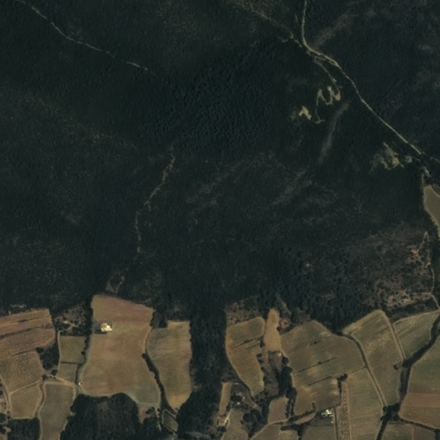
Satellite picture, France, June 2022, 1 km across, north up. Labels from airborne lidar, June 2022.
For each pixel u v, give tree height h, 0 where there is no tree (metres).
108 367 0
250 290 6
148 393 0
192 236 6
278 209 6
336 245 6
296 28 10
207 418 10
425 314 0
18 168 10
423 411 0
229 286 8
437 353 0
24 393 0
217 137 7
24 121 6
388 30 6
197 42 7
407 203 7
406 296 7
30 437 13
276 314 0
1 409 0
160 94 9
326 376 0
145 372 0
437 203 0
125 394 9
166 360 0
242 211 8
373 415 0
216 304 6
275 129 5
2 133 8
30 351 0
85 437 6
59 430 0
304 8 8
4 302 9
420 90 7
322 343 0
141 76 13
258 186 7
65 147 6
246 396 0
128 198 5
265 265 8
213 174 7
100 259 8
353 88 7
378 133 5
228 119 7
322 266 6
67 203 7
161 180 6
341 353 0
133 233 5
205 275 6
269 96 8
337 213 5
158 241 5
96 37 9
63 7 8
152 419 9
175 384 0
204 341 9
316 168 6
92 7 5
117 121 6
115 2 5
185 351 0
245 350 0
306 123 7
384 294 9
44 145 6
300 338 0
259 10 7
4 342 0
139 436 10
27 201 9
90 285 6
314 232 6
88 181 7
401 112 8
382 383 0
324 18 6
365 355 0
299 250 7
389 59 6
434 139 8
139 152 6
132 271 10
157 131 7
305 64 7
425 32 7
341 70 9
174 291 7
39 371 0
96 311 0
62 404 0
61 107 6
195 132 12
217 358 10
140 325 0
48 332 0
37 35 6
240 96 6
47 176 6
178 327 0
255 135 10
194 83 13
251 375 0
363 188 6
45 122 7
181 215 6
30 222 5
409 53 8
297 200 9
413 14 6
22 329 0
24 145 7
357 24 7
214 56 8
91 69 9
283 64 9
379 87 8
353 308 11
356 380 0
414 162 14
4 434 6
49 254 7
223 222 6
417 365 0
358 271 6
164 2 12
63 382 0
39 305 7
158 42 7
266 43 8
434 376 0
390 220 8
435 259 11
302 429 8
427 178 16
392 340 0
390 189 11
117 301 0
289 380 9
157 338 0
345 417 0
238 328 0
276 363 0
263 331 0
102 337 0
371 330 0
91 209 6
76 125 6
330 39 7
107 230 8
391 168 6
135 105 8
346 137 6
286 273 8
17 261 6
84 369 0
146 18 10
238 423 0
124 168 6
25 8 8
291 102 7
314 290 6
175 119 14
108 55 7
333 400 0
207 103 9
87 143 8
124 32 7
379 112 14
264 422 22
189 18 6
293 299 16
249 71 9
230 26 8
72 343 0
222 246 9
